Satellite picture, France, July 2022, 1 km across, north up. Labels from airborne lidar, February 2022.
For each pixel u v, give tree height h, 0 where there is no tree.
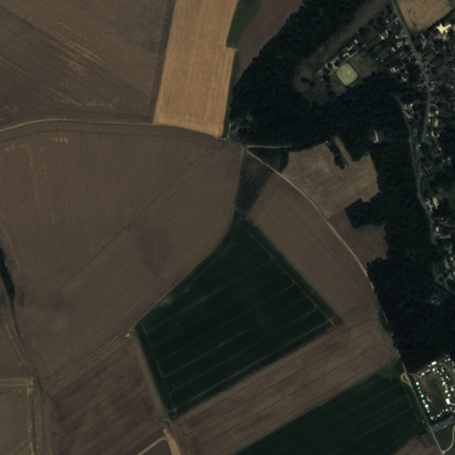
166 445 0
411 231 24
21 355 0
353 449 0
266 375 0
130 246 0
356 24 0
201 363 0
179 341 0
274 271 0
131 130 0
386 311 12
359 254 0
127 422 0
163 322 0
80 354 0
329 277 0
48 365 0
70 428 0
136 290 0
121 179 0
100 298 0
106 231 0
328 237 0
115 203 0
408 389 0
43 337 0
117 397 0
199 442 0
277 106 21
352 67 0
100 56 0
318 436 0
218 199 0
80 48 0
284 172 0
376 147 17
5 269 13
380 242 0
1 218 0
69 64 0
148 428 0
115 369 0
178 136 0
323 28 19
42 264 0
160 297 0
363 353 0
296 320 0
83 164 0
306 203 0
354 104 23
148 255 0
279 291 0
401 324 19
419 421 0
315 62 0
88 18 0
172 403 0
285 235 0
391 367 0
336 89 0
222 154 0
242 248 0
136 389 0
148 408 0
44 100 0
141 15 0
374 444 0
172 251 0
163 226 0
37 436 0
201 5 0
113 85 0
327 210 0
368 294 0
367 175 0
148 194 0
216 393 0
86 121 0
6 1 0
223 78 0
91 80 0
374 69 0
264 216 0
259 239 0
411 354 18
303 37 22
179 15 0
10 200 0
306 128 26
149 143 0
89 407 0
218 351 0
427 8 0
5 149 0
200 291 0
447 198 0
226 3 0
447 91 23
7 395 0
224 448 0
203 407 0
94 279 0
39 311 0
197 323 0
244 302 0
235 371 0
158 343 0
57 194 0
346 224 0
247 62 0
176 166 0
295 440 0
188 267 0
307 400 0
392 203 21
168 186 0
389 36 9
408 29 0
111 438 0
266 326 0
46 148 0
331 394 0
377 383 0
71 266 0
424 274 26
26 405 0
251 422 0
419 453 0
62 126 0
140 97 0
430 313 26
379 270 18
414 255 18
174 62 0
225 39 0
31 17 0
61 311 0
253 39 0
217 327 0
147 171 0
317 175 0
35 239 0
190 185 0
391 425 0
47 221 0
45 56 0
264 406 0
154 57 0
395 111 18
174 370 0
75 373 0
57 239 0
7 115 0
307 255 0
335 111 23
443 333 22
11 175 0
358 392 0
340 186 0
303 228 0
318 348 0
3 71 0
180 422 0
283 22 0
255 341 0
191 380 0
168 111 0
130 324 0
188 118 0
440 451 0
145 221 0
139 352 0
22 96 0
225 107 0
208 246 0
